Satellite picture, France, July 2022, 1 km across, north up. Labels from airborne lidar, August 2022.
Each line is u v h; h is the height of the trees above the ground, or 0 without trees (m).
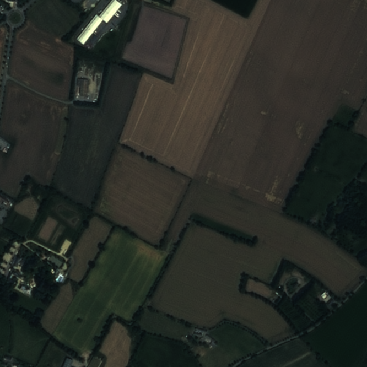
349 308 0
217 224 0
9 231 9
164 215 0
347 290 0
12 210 0
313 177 0
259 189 0
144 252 0
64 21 0
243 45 0
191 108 0
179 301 0
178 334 0
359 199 19
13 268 7
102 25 0
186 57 0
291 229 0
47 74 0
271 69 0
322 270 0
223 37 0
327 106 0
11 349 0
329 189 0
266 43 0
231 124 0
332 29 0
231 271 0
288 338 8
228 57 0
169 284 0
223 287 0
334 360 0
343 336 0
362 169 11
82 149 0
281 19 0
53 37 0
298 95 0
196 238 0
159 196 0
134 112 0
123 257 0
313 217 0
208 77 0
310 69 0
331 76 0
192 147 0
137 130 0
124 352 0
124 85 0
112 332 0
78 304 0
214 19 0
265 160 0
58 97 0
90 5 0
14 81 0
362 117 0
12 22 0
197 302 0
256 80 0
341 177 0
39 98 0
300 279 0
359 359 0
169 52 0
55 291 23
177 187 0
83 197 0
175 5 0
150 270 0
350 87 0
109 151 0
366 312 0
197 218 0
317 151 11
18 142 0
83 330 0
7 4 7
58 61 0
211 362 0
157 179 0
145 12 0
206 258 0
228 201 0
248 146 0
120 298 0
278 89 0
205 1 0
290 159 0
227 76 0
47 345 6
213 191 0
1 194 10
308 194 0
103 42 0
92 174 0
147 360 0
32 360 0
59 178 0
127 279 0
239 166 0
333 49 0
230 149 0
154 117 0
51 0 0
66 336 0
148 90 0
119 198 0
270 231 0
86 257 0
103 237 0
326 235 9
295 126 0
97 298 0
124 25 0
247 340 0
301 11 0
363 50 0
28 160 0
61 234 0
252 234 0
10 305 16
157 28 0
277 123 0
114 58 0
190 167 0
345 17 0
